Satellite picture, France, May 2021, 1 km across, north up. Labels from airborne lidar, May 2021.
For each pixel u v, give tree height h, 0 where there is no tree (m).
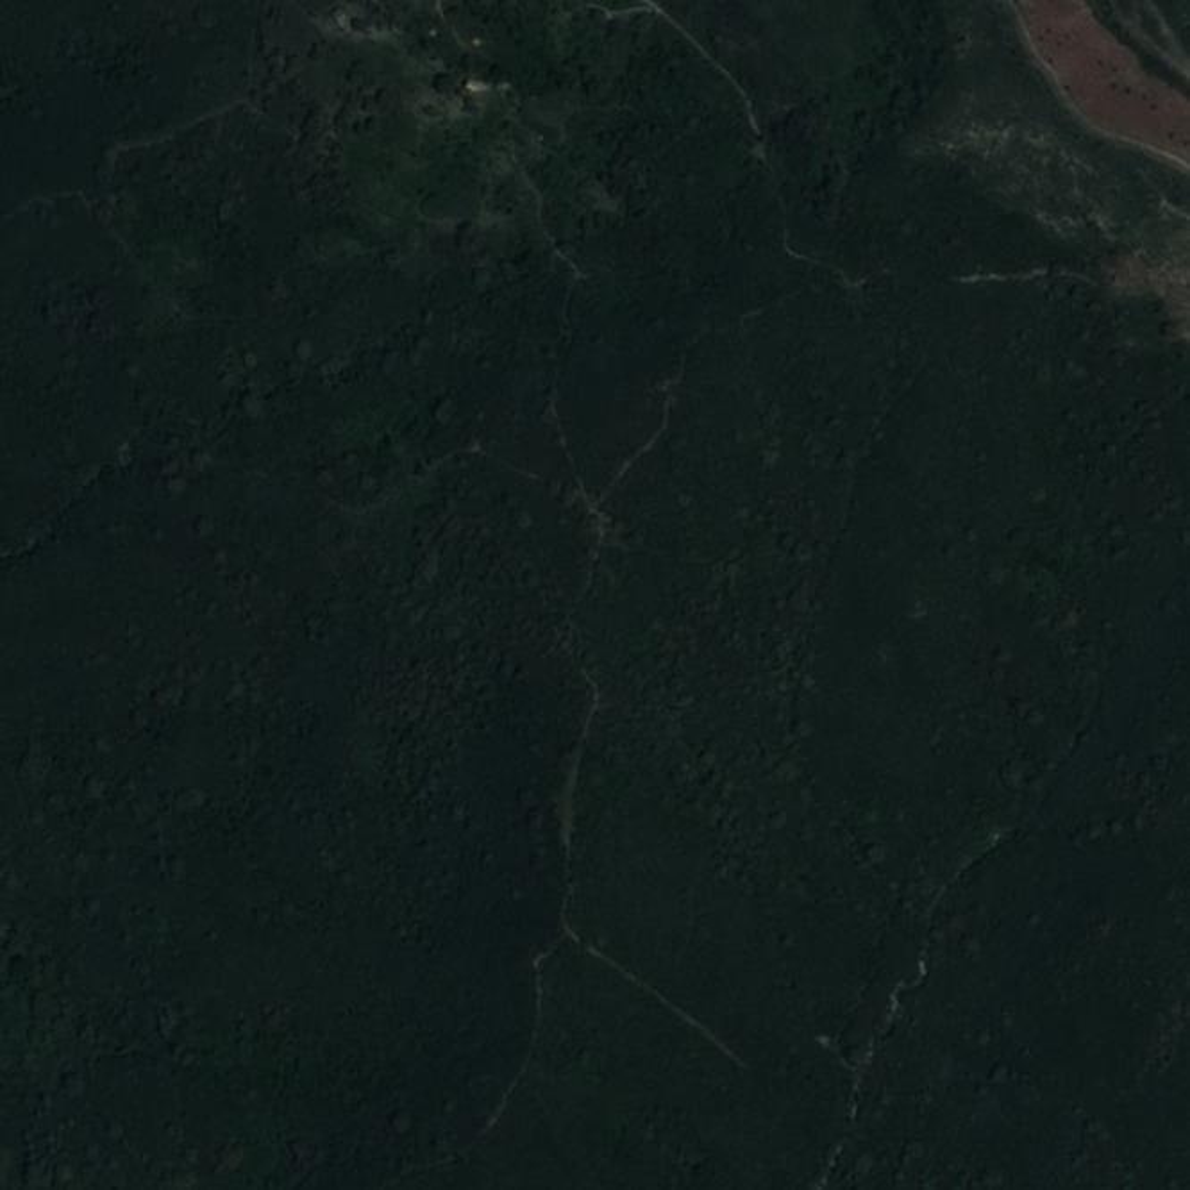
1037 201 0
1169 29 0
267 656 11
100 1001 5
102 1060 7
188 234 7
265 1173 7
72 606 6
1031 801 6
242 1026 14
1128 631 6
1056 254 6
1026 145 0
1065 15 0
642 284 6
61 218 6
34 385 6
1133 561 6
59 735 6
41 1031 10
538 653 7
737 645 7
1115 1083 6
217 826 8
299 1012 6
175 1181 14
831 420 13
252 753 13
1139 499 6
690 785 7
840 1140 14
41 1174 17
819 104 6
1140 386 6
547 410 10
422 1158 6
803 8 0
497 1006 6
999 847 7
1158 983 8
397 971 5
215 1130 7
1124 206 0
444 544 10
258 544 6
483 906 6
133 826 6
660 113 6
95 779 12
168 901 6
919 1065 6
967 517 6
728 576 14
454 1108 6
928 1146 8
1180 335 10
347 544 12
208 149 9
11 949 12
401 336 11
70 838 7
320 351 6
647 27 10
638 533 9
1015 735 7
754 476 7
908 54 7
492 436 7
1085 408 6
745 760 8
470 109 11
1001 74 0
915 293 9
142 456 6
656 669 5
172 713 7
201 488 6
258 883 7
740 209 6
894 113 12
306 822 6
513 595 6
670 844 6
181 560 6
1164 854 6
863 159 6
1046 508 7
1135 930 6
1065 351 6
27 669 5
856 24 0
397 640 7
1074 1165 8
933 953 8
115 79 11
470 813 6
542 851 9
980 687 9
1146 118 0
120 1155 9
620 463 11
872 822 10
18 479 6
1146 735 6
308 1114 6
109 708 7
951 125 0
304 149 10
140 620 6
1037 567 6
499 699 7
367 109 10
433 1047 7
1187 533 11
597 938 9
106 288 6
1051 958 7
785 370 6
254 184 7
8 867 7
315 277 6
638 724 10
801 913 6
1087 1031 5
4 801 6
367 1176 5
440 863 6
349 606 6
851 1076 10
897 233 7
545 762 6
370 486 9
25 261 7
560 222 7
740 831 7
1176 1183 9
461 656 11
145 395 15
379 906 6
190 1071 5
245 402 18
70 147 6
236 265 7
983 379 8
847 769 6
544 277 6
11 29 6
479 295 6
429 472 10
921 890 14
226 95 0
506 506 11
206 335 7
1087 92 0
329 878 6
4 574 5
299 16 0
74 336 11
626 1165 6
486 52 0
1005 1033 6
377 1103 6
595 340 9
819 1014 10
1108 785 9
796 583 6
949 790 8
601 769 6
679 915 6
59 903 6
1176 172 0
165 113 5
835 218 7
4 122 7
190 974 6
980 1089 12
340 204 12
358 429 7
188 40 7
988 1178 16
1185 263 0
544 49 6
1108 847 6
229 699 12
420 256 0
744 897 7
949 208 6
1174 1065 6
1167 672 6
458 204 0
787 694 6
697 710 7
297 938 5
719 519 5
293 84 11
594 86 16
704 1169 12
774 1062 6
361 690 9
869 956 7
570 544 5
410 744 10
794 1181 6
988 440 6
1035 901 6
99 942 6
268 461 6
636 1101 5
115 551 7
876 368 6
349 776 7
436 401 8
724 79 7
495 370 6
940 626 5
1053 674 6
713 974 5
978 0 0
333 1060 9
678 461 10
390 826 9
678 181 6
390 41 0
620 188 13
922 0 6
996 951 6
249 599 7
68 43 14
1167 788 10
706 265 5
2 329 6
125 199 9
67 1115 6
